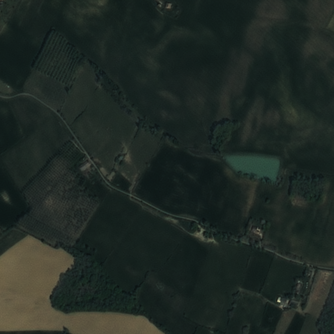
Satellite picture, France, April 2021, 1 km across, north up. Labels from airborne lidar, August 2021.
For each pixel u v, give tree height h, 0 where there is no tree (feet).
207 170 0
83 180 56
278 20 0
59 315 0
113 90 19
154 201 0
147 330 0
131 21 0
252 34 0
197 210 0
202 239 0
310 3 0
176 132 0
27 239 0
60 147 0
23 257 0
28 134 0
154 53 0
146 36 0
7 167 0
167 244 0
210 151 0
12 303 0
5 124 0
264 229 32
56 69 54
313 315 0
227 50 0
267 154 0
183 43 0
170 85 0
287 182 0
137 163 0
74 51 88
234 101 0
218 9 0
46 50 61
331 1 0
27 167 0
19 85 0
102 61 0
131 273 0
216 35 0
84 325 0
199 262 0
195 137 0
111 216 0
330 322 75
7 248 0
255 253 0
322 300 0
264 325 0
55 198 71
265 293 0
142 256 0
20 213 0
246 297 0
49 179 59
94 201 66
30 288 0
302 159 0
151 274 0
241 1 0
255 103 0
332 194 0
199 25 0
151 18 0
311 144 0
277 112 0
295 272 0
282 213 0
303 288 42
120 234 0
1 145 0
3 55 0
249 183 0
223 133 84
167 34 0
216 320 0
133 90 0
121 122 0
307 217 0
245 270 0
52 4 0
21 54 0
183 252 0
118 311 33
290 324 0
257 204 0
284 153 0
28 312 0
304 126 0
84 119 0
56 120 0
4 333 0
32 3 0
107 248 0
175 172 0
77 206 66
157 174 0
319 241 0
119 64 0
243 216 0
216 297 0
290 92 0
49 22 0
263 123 0
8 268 0
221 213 0
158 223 0
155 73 0
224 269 0
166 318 0
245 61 0
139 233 0
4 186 0
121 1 0
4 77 0
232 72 0
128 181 0
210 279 0
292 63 0
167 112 0
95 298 51
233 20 0
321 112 0
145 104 0
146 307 0
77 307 59
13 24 0
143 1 0
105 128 0
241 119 0
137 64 0
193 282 0
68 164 58
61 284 59
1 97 0
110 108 0
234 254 0
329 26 0
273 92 0
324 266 0
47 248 0
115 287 81
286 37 0
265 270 0
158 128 70
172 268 0
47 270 0
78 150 57
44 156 0
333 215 0
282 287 0
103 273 55
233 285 0
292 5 0
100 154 0
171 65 0
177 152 0
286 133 0
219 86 0
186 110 0
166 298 0
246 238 47
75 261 36
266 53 0
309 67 0
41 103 0
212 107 0
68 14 0
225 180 0
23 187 0
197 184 0
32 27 0
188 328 0
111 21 0
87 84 0
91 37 0
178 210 0
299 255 0
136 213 0
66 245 80
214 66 0
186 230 0
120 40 0
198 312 0
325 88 0
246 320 0
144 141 0
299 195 58
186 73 0
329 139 0
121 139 0
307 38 0
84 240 0
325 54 0
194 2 0
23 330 0
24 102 0
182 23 0
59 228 84
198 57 0
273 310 0
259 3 0
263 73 0
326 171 0
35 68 50
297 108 0
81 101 0
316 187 83
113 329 0
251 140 0
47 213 93
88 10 0
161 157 0
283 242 0
